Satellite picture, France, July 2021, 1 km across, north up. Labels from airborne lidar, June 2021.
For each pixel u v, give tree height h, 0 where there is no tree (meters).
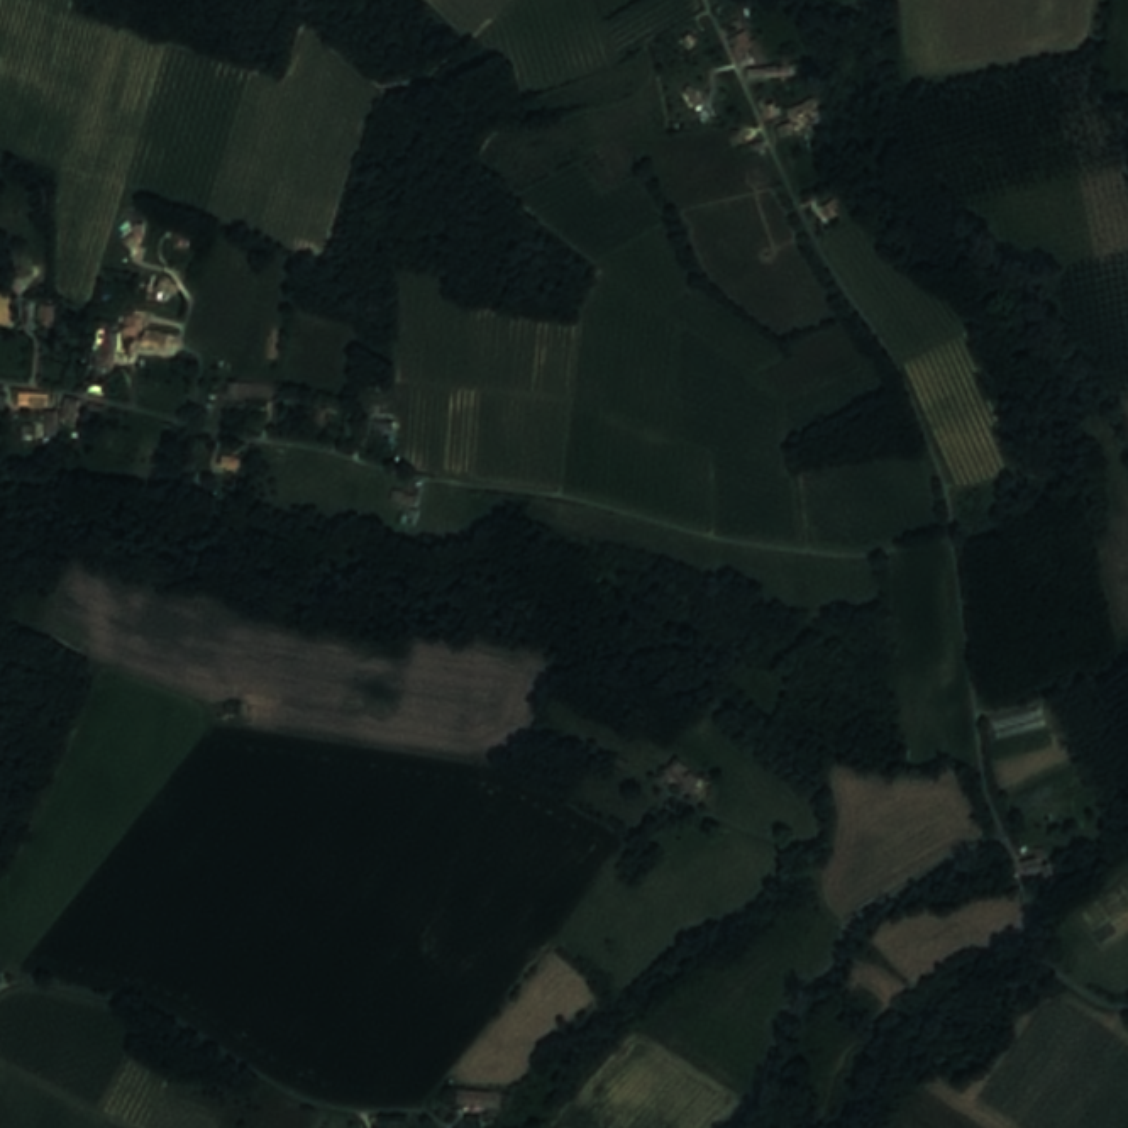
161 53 0
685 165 0
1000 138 16
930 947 0
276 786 0
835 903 0
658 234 0
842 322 10
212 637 0
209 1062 23
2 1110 0
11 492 10
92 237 0
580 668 22
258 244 11
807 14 13
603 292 0
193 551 30
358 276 19
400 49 26
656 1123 0
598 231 0
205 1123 0
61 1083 0
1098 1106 0
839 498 0
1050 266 36
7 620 21
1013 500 21
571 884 0
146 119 0
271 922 0
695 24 0
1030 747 0
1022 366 13
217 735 0
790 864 20
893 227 21
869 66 9
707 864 0
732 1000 0
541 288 21
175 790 0
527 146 0
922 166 10
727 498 0
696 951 18
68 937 0
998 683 15
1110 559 0
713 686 23
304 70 0
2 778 19
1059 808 0
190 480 13
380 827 0
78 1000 0
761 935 30
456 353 0
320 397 7
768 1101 32
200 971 0
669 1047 0
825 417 8
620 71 0
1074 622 15
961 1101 0
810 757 13
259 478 10
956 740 0
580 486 0
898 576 0
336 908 0
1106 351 20
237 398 0
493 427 0
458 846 0
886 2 26
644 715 28
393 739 0
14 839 22
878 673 8
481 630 18
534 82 0
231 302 0
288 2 20
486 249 25
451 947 0
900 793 0
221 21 21
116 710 0
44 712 20
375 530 18
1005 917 0
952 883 17
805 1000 39
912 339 0
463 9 0
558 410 0
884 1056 23
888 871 0
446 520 0
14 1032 0
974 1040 11
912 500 0
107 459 0
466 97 10
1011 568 18
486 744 0
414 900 0
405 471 18
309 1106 6
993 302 28
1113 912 0
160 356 0
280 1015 0
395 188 16
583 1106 0
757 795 0
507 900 0
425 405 0
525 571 25
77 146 0
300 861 0
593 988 9
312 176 0
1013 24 0
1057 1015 0
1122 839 21
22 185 7
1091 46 13
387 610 24
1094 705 27
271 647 0
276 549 24
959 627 0
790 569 0
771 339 9
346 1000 0
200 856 0
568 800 17
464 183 20
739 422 0
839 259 0
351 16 20
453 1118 7
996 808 9
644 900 0
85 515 23
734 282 0
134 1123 0
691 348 0
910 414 16
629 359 0
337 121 0
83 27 0
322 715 0
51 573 23
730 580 17
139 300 0
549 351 0
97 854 0
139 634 0
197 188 0
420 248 18
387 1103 0
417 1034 0
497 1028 0
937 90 10
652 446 0
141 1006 19
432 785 0
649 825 14
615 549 8
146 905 0
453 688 0
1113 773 27
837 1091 0
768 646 18
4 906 0
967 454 0
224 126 0
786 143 0
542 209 0
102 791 0
